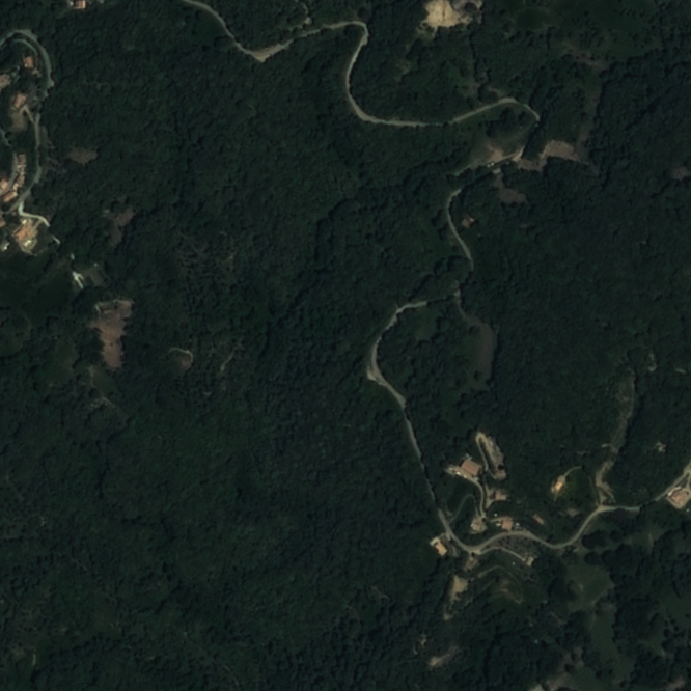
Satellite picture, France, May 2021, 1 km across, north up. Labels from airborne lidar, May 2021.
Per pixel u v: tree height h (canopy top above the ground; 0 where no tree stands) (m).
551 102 17
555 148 0
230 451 17
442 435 9
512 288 15
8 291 0
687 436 14
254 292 23
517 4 0
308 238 12
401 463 10
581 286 13
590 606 0
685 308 16
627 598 22
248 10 7
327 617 15
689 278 10
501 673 14
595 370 15
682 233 18
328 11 14
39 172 0
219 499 15
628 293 13
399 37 12
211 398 7
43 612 8
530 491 17
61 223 17
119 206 20
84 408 16
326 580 13
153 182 20
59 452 17
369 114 6
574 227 20
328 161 11
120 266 15
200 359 7
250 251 20
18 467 18
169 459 11
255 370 20
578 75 12
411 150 17
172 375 20
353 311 16
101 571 12
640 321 14
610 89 15
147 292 18
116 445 16
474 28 14
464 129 7
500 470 0
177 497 15
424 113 14
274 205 11
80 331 12
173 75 20
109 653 20
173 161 15
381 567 12
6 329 15
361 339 17
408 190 21
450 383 10
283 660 13
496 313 15
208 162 18
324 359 12
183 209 25
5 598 8
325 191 10
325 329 22
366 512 12
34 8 16
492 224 18
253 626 18
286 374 14
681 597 12
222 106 17
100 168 11
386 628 15
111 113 14
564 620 16
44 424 20
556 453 17
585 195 15
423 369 12
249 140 12
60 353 0
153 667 9
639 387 15
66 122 19
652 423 17
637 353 17
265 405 10
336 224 24
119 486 19
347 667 14
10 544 17
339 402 15
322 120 22
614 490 0
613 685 0
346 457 8
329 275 22
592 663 19
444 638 6
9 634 13
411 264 18
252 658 14
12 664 6
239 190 14
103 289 9
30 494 14
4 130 11
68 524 8
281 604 8
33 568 21
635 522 8
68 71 14
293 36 14
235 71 18
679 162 17
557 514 8
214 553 23
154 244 17
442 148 15
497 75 17
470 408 12
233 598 17
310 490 22
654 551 9
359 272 14
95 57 14
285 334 30
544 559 8
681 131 15
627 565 14
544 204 21
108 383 0
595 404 12
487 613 19
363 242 16
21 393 21
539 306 15
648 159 17
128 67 9
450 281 15
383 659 11
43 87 16
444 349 10
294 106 18
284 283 20
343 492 16
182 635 7
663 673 19
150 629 13
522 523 7
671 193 20
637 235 20
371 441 8
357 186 17
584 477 0
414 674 11
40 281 13
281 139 11
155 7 10
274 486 18
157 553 16
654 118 25
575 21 7
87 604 11
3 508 7
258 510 14
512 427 16
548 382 18
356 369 11
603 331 15
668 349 17
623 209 16
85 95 9
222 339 13
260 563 24
